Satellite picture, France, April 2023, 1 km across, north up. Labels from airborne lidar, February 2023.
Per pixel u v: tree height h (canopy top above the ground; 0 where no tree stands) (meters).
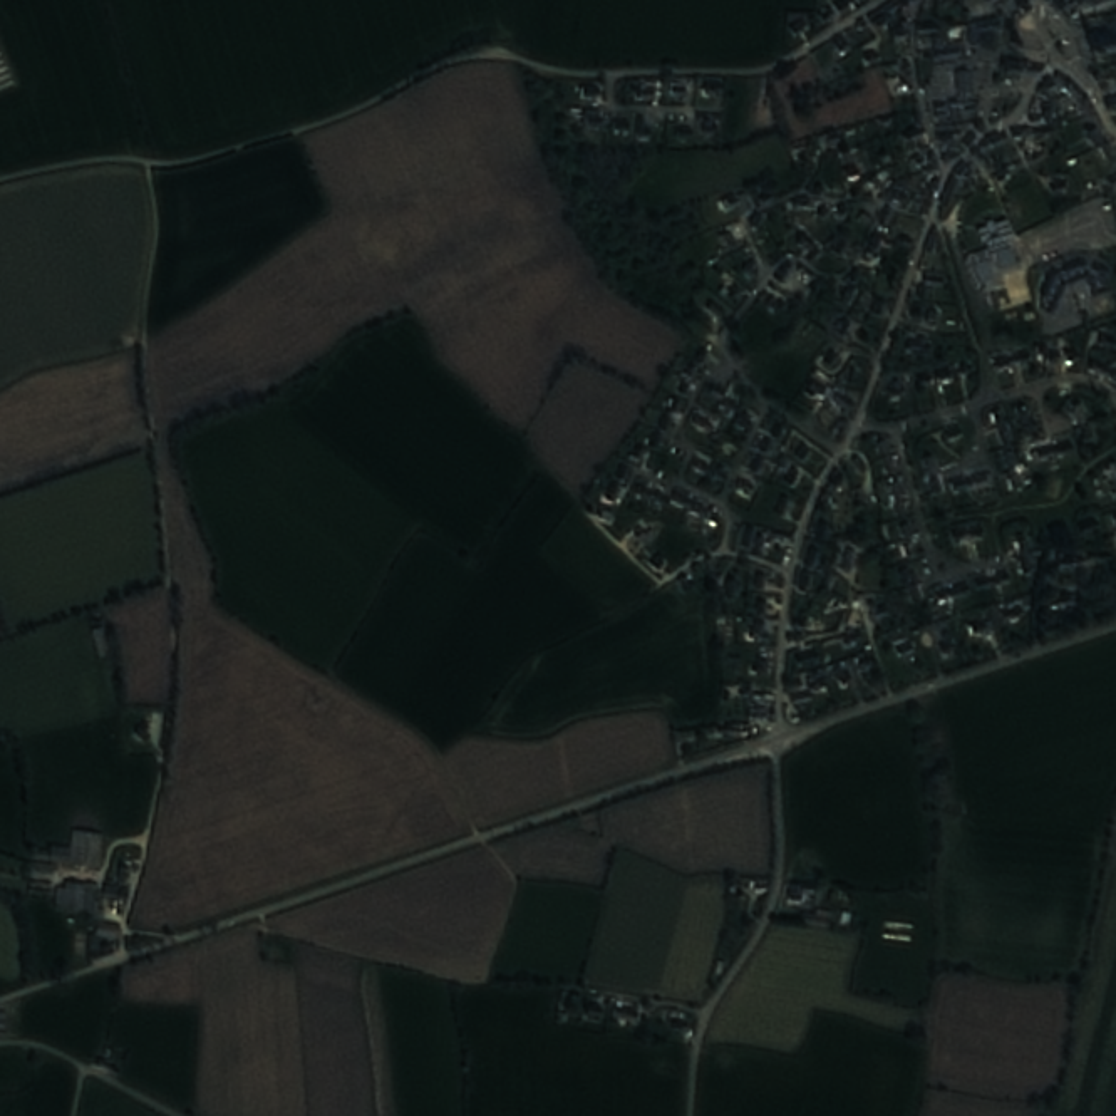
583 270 0
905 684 0
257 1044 0
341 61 0
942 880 0
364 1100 0
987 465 0
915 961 0
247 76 0
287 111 0
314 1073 0
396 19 0
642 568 0
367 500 0
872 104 0
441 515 0
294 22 0
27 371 0
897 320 0
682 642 0
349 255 0
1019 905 0
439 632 0
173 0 0
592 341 0
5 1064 0
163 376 0
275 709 0
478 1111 0
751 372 0
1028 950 0
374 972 0
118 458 11
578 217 14
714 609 10
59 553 0
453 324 0
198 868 0
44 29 0
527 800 0
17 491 10
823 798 0
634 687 0
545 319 0
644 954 0
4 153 0
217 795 0
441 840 0
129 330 0
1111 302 0
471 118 0
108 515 0
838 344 0
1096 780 0
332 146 0
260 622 0
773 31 0
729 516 0
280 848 0
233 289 0
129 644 0
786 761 0
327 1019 0
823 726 0
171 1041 0
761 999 0
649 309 8
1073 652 0
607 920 0
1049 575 13
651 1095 0
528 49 0
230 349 0
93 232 0
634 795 8
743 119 0
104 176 0
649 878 0
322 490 0
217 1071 0
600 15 0
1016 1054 0
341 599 0
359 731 0
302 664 0
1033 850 0
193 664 0
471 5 0
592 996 0
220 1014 0
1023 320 0
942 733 0
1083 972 11
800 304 11
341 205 0
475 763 0
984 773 0
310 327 0
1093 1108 0
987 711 0
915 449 6
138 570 0
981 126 11
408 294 0
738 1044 0
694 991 0
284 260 0
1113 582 13
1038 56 0
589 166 19
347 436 0
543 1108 0
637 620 0
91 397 0
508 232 0
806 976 0
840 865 0
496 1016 0
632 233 10
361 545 0
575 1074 0
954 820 0
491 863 0
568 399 0
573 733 0
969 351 6
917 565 0
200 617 0
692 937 0
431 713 0
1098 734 0
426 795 0
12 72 0
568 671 0
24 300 0
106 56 0
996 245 0
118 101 0
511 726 0
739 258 0
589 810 0
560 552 0
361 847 0
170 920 0
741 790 0
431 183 0
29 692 0
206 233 0
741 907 7
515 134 0
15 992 0
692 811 0
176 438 8
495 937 0
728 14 0
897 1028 0
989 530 0
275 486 0
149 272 0
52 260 0
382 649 0
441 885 0
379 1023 0
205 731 0
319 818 0
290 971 0
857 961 0
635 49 0
